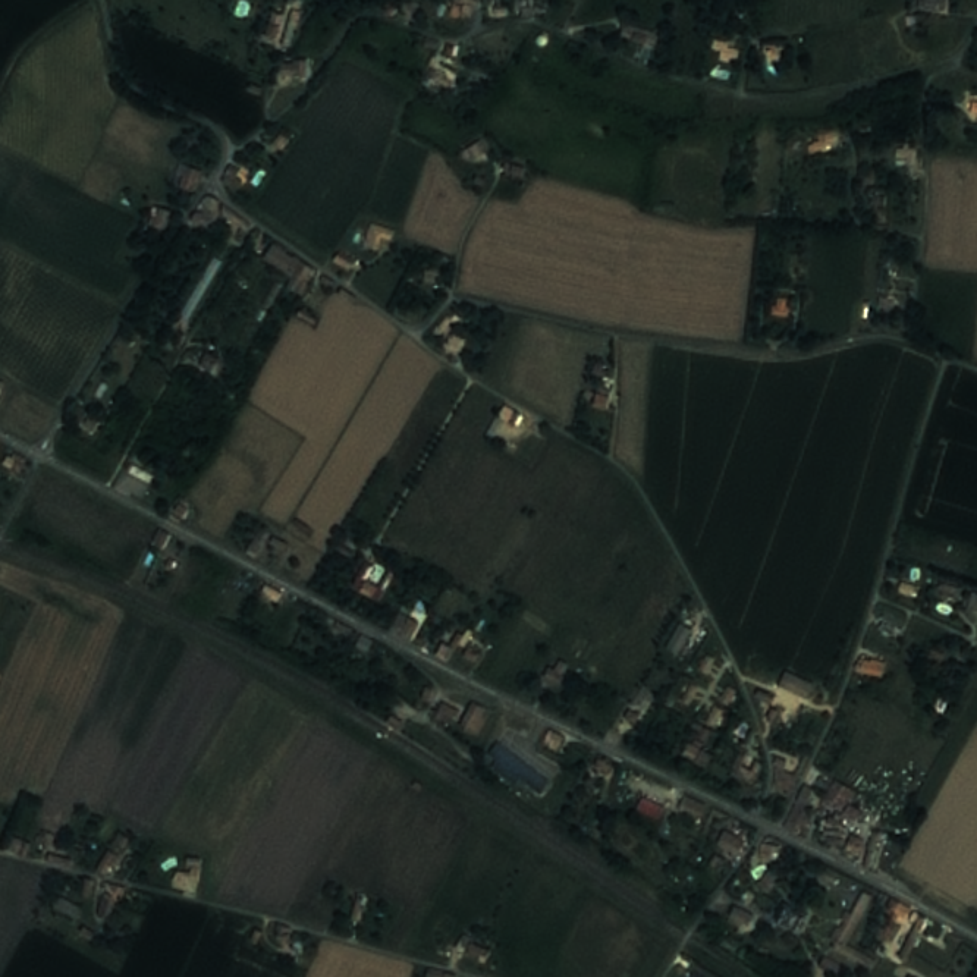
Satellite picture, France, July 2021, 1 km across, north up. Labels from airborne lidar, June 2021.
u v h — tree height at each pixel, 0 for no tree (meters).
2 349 0
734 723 7
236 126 0
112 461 0
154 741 0
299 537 0
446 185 0
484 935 12
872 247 0
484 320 11
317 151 0
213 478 0
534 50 0
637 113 7
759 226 13
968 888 0
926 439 0
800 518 0
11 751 0
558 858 0
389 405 0
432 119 0
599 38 8
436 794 0
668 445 0
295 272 0
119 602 0
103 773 0
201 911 0
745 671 0
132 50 0
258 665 0
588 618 0
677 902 7
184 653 0
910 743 0
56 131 0
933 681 7
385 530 0
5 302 0
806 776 0
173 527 0
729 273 0
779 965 11
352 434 0
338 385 0
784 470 0
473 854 0
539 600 0
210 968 0
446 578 6
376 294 0
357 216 0
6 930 0
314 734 0
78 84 0
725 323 0
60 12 0
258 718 0
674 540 0
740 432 0
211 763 0
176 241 16
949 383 0
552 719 0
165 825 0
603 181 0
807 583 0
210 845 0
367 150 0
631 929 0
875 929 12
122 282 0
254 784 0
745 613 0
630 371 0
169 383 6
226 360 8
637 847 0
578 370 0
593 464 0
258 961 0
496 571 0
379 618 13
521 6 0
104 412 12
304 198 0
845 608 0
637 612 0
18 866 0
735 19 12
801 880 12
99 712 0
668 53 14
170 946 0
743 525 0
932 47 0
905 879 0
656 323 0
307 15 6
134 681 0
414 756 0
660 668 8
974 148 0
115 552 0
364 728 0
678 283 0
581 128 0
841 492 0
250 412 0
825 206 0
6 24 0
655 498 0
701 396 0
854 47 0
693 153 0
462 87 15
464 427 0
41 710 0
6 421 0
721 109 0
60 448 0
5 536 0
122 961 0
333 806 0
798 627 0
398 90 0
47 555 0
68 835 17
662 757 18
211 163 11
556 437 0
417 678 10
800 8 0
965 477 0
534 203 0
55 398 0
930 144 16
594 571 0
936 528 0
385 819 0
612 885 0
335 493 0
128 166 0
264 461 0
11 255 0
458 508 0
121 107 0
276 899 0
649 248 0
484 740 0
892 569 14
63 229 0
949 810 0
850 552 0
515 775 0
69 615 0
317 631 21
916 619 0
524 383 0
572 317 0
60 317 0
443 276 11
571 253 0
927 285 0
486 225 0
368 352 0
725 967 0
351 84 0
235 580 0
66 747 0
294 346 0
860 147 10
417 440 0
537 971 0
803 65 13
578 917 0
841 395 0
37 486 0
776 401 0
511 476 0
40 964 0
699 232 0
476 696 0
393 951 0
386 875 0
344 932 7
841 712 6
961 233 0
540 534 0
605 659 0
